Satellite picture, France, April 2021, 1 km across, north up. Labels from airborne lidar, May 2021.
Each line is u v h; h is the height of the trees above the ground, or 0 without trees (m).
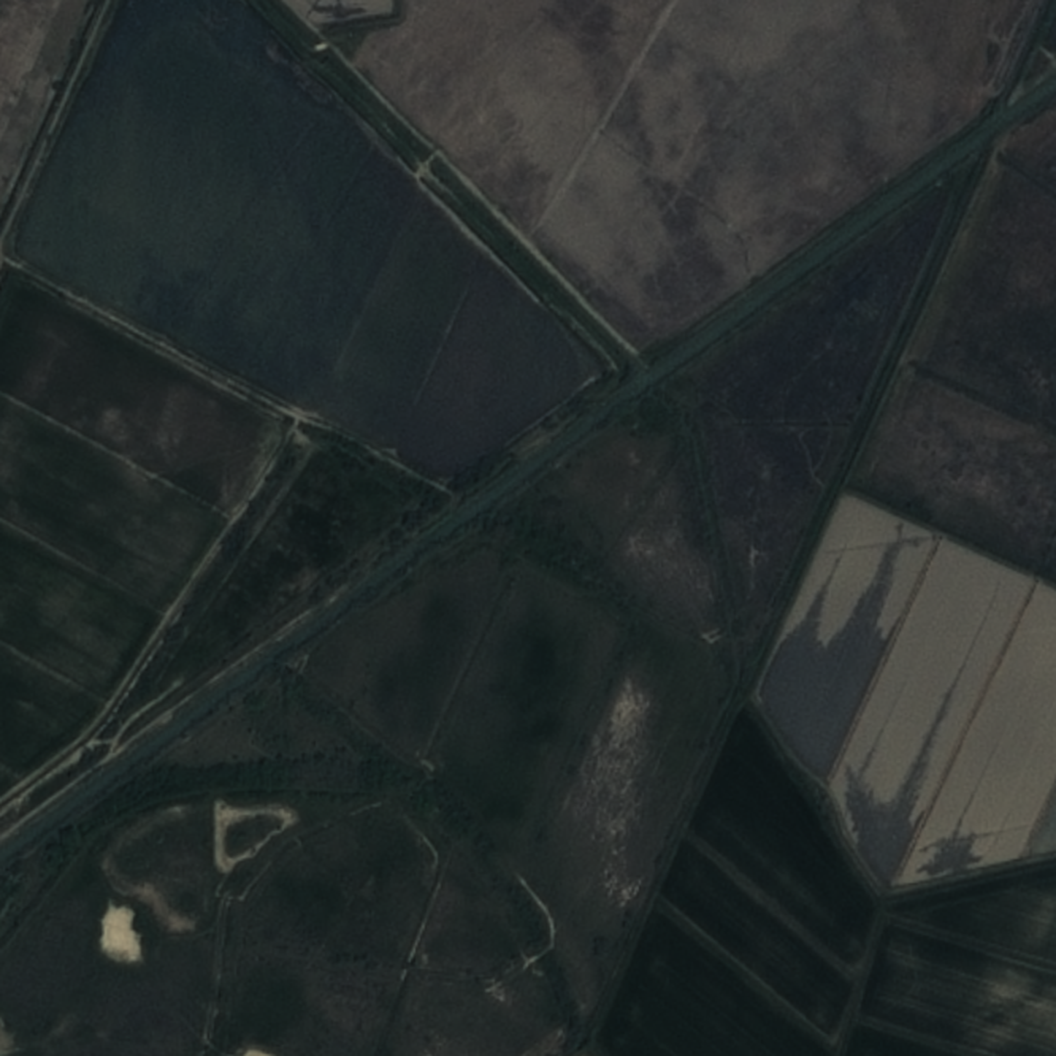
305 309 0
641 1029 0
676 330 0
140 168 0
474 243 0
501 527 11
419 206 0
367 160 0
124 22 0
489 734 0
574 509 0
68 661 0
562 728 0
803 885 0
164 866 0
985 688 0
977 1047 0
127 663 0
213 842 0
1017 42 0
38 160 0
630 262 0
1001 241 0
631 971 0
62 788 0
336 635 0
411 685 0
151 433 0
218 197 0
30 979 0
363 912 0
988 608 0
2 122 0
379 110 0
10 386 0
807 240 0
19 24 0
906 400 0
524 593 0
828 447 0
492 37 0
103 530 0
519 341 0
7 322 0
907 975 0
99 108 0
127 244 0
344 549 0
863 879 0
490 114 0
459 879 0
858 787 0
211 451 0
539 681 0
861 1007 0
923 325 0
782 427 0
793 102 0
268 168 0
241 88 0
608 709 0
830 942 0
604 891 0
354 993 0
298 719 0
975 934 0
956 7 0
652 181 0
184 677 0
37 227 0
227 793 0
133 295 0
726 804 0
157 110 0
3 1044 0
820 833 0
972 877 0
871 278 0
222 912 0
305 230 0
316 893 0
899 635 0
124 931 0
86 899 0
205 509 0
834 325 0
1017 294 0
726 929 0
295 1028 0
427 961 0
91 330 0
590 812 0
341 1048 0
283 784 8
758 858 0
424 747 0
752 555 0
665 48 0
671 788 0
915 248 0
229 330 0
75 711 0
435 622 0
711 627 0
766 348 0
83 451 0
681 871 0
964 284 0
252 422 0
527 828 0
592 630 0
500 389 0
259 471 0
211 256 0
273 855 0
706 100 0
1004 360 0
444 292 0
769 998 0
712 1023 0
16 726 0
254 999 0
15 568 0
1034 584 0
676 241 0
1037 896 0
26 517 0
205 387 0
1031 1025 0
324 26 0
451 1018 0
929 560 0
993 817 0
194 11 0
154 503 0
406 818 0
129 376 0
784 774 0
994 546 0
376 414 0
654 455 0
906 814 0
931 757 0
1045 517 0
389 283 0
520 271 0
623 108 0
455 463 0
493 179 0
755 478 0
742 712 0
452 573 0
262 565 0
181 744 0
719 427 0
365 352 0
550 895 0
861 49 0
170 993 0
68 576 0
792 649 0
